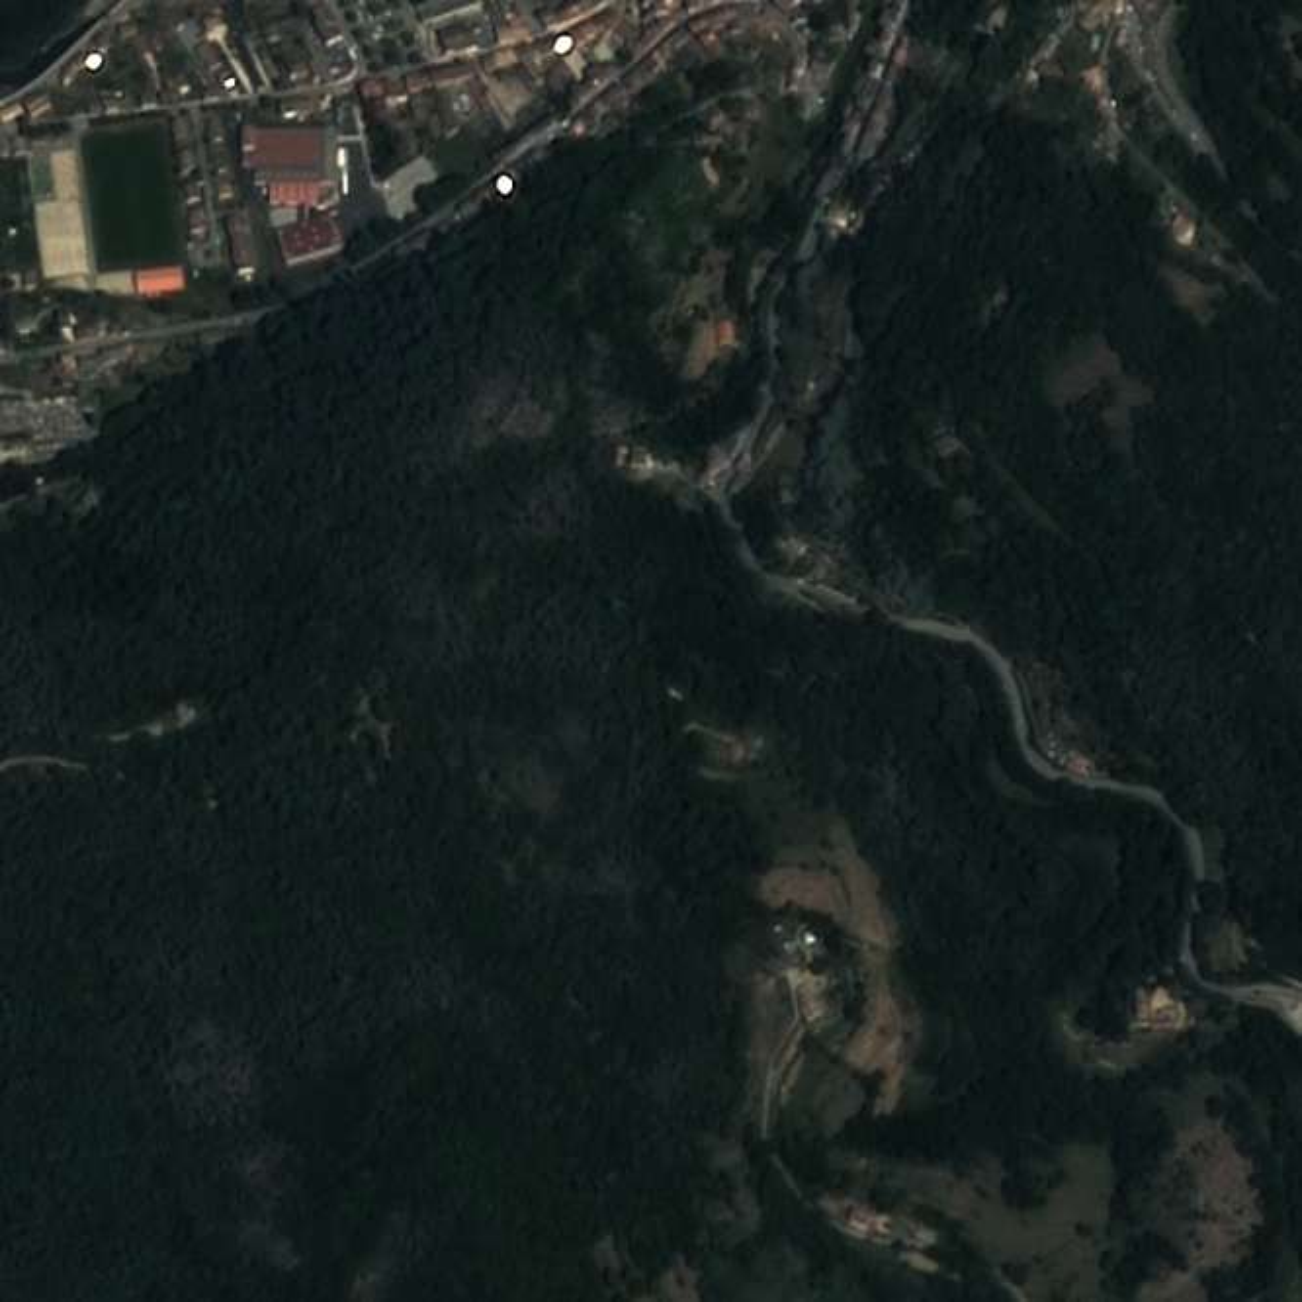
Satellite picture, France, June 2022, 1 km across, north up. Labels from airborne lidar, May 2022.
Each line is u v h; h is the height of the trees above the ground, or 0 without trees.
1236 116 20
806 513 12
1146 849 24
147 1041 10
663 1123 13
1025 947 21
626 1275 13
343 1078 17
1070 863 18
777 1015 0
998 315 13
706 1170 12
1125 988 8
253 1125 11
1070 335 12
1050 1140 10
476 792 17
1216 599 16
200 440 13
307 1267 11
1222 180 13
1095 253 17
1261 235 18
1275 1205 12
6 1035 13
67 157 0
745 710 10
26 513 9
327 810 20
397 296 15
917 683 8
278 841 24
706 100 6
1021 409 16
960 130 9
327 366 16
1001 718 16
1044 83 10
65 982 19
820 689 15
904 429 13
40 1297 20
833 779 12
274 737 12
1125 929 22
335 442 19
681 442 7
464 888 12
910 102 10
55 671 19
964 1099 8
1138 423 7
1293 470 17
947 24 21
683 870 19
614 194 7
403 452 8
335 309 31
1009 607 13
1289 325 15
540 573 7
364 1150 22
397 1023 17
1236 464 17
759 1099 7
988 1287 14
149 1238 21
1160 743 18
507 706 12
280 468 19
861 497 6
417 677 7
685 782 21
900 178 9
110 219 0
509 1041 14
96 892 19
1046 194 17
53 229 0
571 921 12
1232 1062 19
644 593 22
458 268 24
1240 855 22
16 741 8
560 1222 23
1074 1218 0
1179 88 0
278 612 8
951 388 18
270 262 0
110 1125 18
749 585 27
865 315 21
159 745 11
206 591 17
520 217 19
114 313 0
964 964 13
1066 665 14
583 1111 17
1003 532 15
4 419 0
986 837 14
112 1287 20
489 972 17
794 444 0
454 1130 17
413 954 8
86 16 0
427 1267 12
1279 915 18
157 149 0
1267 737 15
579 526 8
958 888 13
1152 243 14
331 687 17
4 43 11
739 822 9
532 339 18
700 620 19
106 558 20
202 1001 14
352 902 17
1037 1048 22
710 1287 15
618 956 13
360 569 9
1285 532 14
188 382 13
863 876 0
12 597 22
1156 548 20
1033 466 20
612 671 12
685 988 13
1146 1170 19
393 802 21
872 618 15
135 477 10
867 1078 7
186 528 18
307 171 0
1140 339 24
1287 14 8
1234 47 18
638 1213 11
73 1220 14
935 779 8
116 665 15
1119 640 16
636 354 14
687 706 10
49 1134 13
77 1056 16
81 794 18
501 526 7
